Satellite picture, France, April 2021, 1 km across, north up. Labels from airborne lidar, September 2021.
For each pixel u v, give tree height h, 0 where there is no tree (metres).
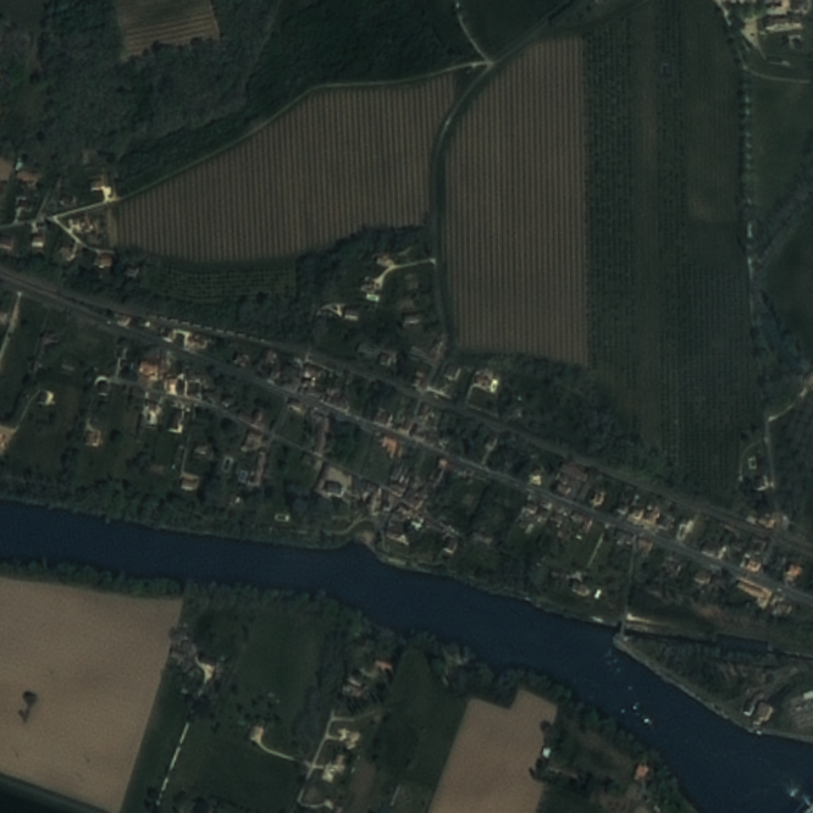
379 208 0
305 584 0
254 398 10
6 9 0
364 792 0
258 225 0
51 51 19
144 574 0
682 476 13
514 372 13
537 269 0
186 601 16
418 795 0
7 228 0
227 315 12
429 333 13
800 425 13
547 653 0
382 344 15
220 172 0
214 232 0
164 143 8
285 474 15
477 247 0
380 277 0
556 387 9
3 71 20
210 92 17
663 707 0
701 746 0
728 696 16
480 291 0
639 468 25
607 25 0
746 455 0
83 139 21
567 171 0
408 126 0
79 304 6
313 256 11
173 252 0
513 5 0
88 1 9
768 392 23
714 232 0
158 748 0
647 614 9
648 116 0
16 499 16
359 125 0
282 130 0
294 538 13
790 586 9
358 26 9
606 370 0
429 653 10
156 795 11
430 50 8
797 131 0
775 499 11
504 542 7
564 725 0
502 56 0
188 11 0
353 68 6
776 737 0
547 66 0
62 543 0
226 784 0
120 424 0
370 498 0
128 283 12
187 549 0
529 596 12
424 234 13
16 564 17
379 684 12
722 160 0
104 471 0
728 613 17
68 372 0
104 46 22
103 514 22
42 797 0
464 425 8
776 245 23
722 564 0
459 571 12
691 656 23
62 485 16
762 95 0
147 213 0
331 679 22
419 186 0
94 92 19
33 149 10
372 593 0
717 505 8
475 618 0
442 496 14
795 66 0
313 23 7
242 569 0
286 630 0
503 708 14
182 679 8
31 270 18
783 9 0
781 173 0
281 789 0
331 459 10
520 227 0
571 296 0
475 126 0
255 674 0
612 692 0
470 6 0
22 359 0
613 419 7
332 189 0
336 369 8
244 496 6
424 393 0
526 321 0
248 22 19
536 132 0
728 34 13
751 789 0
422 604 0
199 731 0
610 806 0
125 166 8
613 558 10
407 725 0
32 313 0
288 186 0
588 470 6
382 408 24
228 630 0
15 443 0
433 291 13
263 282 6
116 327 0
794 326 0
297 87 11
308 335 9
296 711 0
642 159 0
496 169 0
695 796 0
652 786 11
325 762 0
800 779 0
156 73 17
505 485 0
